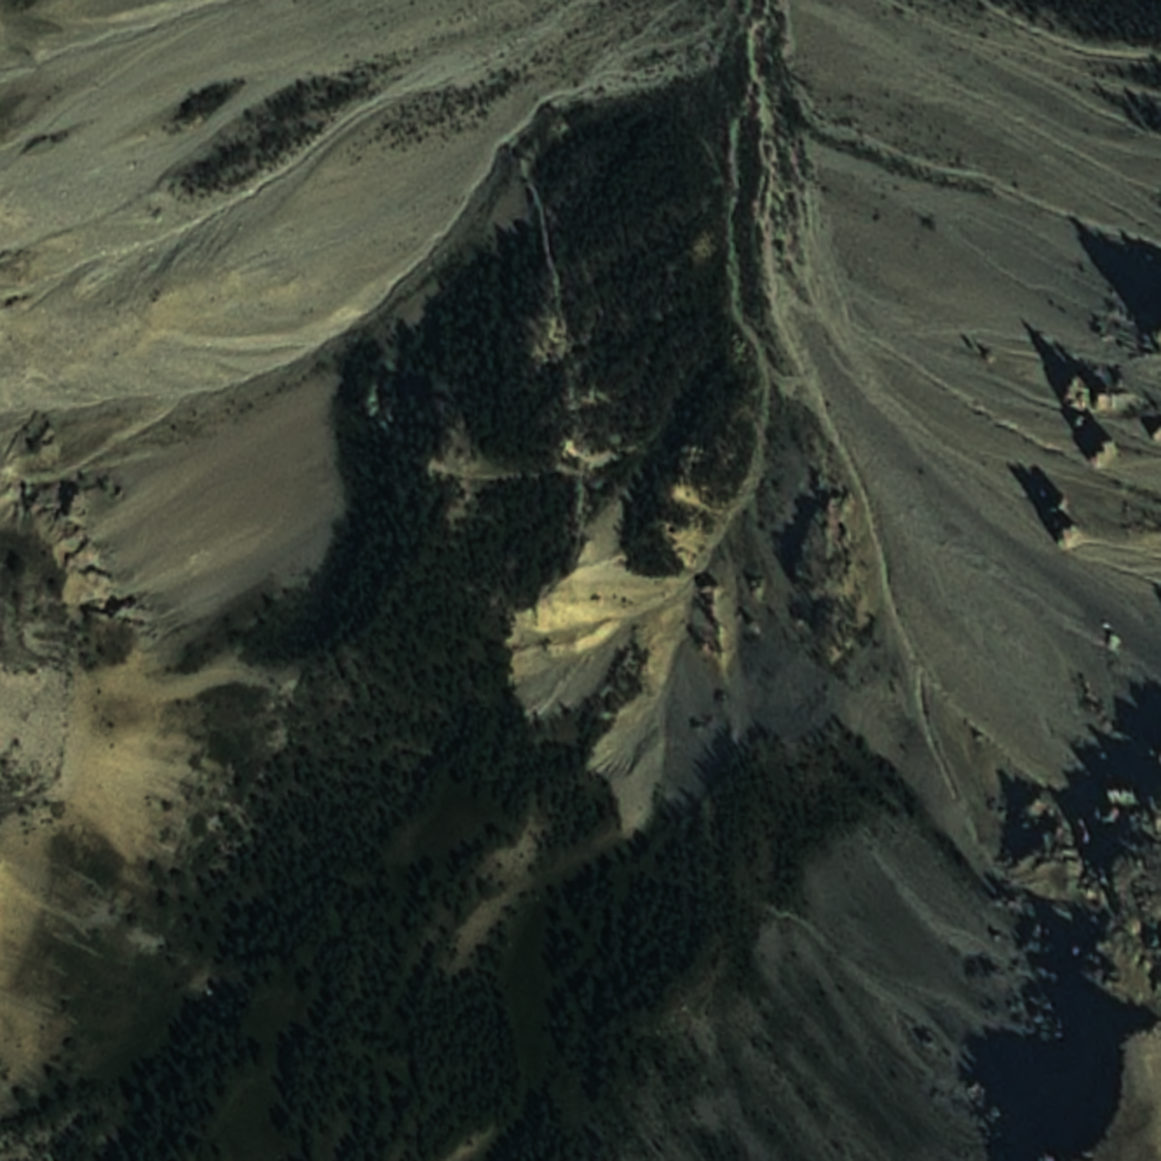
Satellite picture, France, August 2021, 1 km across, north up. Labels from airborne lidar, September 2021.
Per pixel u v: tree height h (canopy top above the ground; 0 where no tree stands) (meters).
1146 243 0
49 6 0
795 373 0
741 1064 0
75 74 0
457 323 9
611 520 0
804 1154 0
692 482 9
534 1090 0
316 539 0
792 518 0
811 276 0
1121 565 0
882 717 0
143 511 0
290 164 0
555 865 0
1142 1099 0
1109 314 0
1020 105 0
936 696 0
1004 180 0
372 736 0
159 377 0
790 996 0
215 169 8
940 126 0
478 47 0
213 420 0
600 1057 16
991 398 0
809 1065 0
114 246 0
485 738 15
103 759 0
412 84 0
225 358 0
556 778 11
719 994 0
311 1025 0
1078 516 0
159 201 0
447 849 0
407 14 0
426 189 0
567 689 0
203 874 0
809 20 0
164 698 0
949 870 0
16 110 0
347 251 0
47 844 0
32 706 0
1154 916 0
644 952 17
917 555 0
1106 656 0
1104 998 0
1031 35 0
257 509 0
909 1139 0
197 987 0
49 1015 0
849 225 0
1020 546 0
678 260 13
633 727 0
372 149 0
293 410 0
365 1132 23
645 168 15
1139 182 0
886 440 0
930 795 0
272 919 18
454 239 0
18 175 0
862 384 0
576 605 0
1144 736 0
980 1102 0
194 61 0
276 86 0
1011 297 0
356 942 14
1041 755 0
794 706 0
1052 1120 0
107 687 0
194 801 0
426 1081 14
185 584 0
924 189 0
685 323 13
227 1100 24
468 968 0
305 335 0
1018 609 0
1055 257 0
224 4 0
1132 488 0
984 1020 0
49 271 0
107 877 0
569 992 7
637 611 0
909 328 0
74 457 0
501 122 0
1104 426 0
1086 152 0
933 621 0
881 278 0
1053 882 0
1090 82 0
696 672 0
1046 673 0
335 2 0
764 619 0
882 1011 0
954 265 0
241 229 0
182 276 0
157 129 0
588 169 6
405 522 20
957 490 0
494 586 7
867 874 0
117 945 0
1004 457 0
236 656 0
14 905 0
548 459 16
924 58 0
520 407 15
